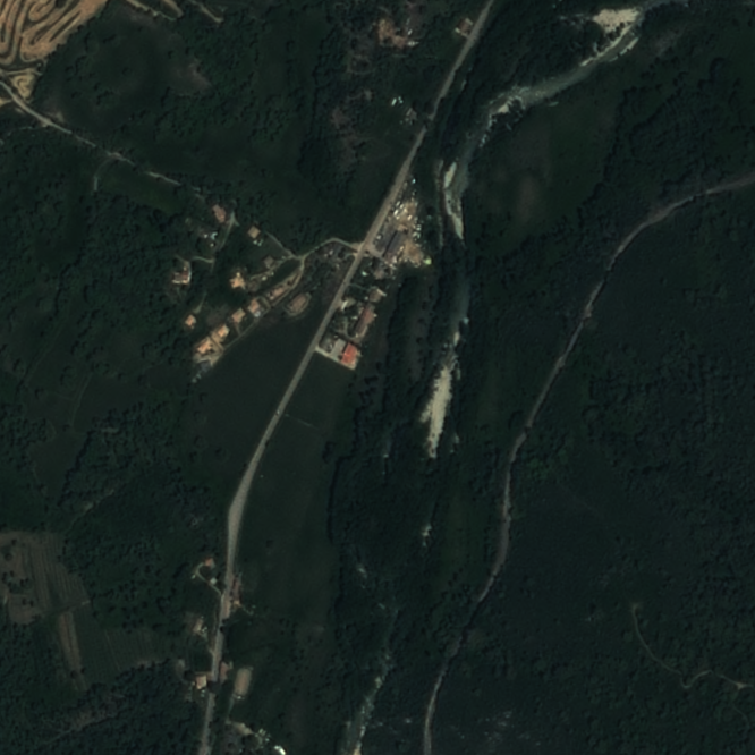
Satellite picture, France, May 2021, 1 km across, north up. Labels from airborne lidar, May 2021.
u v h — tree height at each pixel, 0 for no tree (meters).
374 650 18
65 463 0
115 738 30
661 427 9
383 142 0
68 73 11
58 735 7
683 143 21
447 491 17
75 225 0
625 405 11
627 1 9
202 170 0
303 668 11
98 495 14
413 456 24
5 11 0
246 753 9
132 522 7
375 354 0
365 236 0
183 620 22
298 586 0
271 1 0
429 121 12
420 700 6
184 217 11
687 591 9
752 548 14
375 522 27
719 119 19
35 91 8
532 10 18
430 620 12
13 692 13
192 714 16
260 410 0
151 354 14
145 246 14
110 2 10
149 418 12
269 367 0
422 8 11
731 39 0
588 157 0
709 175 15
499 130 15
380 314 7
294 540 0
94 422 9
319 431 0
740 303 10
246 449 0
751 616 11
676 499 16
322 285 6
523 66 10
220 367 0
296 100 8
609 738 10
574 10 21
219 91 10
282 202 0
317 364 0
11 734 17
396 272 0
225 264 8
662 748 12
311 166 13
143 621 12
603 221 13
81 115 0
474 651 11
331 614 9
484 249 15
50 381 0
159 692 14
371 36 11
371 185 0
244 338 0
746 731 12
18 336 0
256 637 0
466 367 12
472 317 16
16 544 12
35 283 8
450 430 14
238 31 11
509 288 18
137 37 0
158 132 9
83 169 0
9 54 0
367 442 20
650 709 12
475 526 0
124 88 0
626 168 22
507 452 6
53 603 0
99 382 0
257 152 0
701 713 11
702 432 9
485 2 13
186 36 10
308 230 12
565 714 10
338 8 10
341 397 0
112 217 7
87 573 14
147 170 14
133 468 13
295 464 0
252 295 10
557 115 0
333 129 9
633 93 17
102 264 13
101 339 0
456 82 10
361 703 12
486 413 0
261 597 0
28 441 11
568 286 6
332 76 18
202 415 10
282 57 0
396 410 21
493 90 11
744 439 7
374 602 12
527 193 0
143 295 15
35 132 10
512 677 13
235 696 0
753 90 0
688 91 18
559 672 17
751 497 8
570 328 16
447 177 0
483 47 20
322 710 9
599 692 8
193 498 19
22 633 12
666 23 17
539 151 0
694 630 18
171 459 21
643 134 22
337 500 19
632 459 23
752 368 10
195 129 9
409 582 21
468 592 13
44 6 0
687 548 6
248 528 0
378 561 29
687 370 12
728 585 18
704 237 13
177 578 17
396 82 6
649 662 13
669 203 9
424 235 6
